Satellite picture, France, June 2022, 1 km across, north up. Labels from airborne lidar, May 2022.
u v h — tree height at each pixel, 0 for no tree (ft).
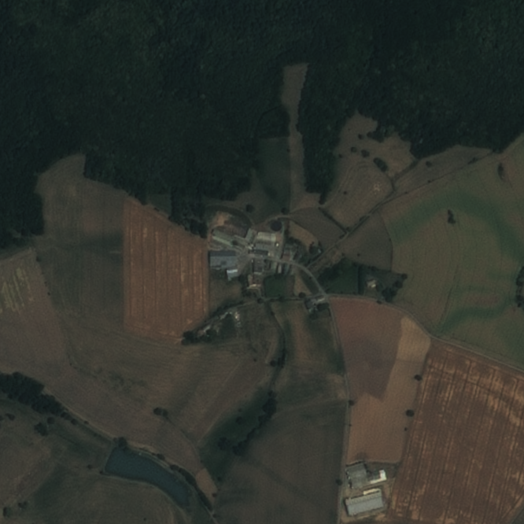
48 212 0
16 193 39
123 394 0
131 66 57
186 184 48
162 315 0
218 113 72
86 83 57
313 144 56
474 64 60
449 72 65
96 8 53
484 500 0
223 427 0
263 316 0
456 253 0
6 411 0
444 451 0
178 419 0
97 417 0
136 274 0
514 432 0
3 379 65
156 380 0
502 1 60
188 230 33
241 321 0
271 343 0
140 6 62
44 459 0
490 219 0
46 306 0
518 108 63
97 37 60
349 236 0
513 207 0
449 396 0
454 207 0
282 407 0
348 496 0
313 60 51
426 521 0
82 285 0
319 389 0
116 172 59
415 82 66
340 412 0
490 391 0
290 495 0
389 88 68
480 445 0
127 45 41
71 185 0
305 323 0
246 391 0
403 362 0
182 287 0
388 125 58
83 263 0
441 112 59
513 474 0
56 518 0
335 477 0
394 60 72
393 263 0
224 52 40
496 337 0
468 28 49
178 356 0
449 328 0
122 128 62
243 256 0
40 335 0
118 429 0
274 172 0
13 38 39
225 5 33
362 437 0
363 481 0
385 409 0
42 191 0
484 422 0
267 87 48
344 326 0
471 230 0
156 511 0
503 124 59
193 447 0
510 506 0
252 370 0
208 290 0
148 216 0
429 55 54
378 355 0
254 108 43
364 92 62
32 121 44
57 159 20
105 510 0
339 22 73
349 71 44
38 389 70
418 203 0
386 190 0
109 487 0
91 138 53
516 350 0
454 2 63
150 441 0
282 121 41
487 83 51
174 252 0
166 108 63
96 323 0
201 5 38
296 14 31
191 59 72
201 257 0
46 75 48
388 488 0
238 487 0
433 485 0
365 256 0
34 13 51
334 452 0
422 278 0
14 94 57
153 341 0
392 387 0
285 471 0
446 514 0
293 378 0
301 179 0
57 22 47
